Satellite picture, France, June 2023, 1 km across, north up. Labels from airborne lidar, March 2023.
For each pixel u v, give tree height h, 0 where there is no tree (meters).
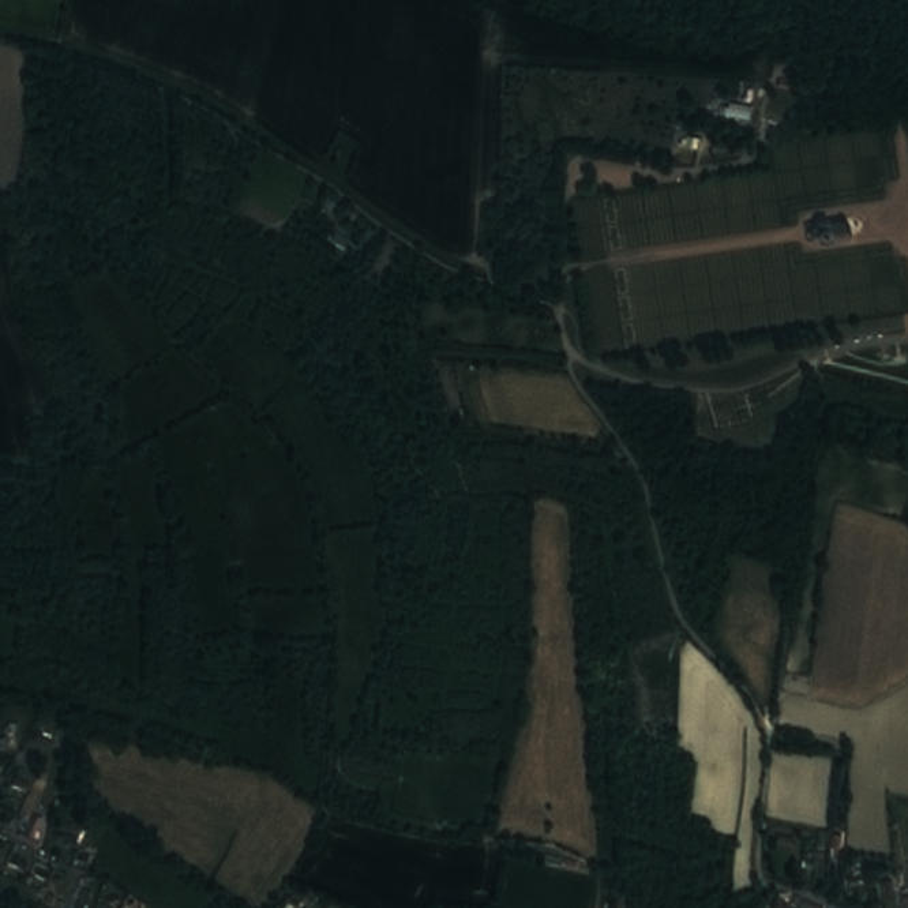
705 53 16
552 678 0
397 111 0
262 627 0
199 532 0
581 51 0
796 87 16
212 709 7
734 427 0
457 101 0
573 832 0
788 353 0
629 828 10
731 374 0
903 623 0
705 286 0
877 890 6
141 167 19
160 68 0
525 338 0
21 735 0
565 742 0
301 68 0
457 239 0
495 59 0
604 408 12
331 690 7
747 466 14
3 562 19
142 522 0
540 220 11
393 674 10
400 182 0
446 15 0
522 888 0
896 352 0
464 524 17
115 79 25
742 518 7
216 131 6
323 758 7
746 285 0
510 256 13
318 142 0
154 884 0
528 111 0
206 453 0
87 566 6
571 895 0
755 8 22
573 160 0
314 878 0
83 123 18
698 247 0
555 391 0
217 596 0
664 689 0
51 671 13
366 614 0
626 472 8
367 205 0
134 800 0
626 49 0
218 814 0
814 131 13
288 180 0
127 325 0
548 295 8
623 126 0
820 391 8
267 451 0
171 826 0
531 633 9
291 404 0
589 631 8
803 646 0
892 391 7
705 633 7
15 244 10
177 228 6
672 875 8
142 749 16
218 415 0
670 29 21
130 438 0
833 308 0
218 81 0
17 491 12
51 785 0
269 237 11
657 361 0
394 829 8
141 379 0
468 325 0
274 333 9
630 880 12
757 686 0
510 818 0
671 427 15
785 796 0
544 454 6
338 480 0
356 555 0
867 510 0
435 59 0
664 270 0
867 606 0
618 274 0
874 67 23
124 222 6
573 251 15
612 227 0
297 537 0
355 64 0
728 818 0
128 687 8
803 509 18
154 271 6
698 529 13
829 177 0
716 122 17
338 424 15
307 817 0
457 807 0
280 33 0
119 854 0
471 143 0
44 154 11
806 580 15
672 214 0
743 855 0
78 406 8
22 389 0
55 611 11
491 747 5
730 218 0
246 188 0
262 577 0
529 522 9
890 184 0
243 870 0
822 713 0
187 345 12
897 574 0
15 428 0
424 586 13
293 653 8
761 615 0
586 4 22
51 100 18
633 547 7
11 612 12
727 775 0
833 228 0
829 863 7
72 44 0
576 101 0
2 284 0
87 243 12
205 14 0
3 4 0
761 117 0
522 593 6
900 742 0
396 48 0
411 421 0
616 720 7
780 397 0
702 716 0
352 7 0
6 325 0
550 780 0
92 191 20
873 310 0
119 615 16
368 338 10
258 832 0
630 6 29
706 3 29
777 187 0
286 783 9
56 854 12
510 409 0
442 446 7
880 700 0
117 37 0
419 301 9
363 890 0
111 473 16
